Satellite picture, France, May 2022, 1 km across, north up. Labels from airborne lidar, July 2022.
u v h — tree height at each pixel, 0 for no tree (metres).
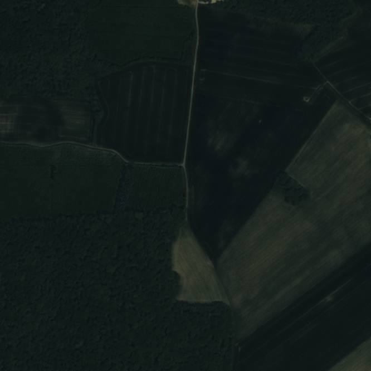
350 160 0
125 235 27
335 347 0
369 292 0
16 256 23
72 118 0
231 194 0
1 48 20
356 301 0
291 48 0
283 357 0
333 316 0
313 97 0
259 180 0
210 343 28
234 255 0
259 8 17
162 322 28
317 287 0
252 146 0
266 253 0
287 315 0
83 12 26
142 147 0
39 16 32
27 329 22
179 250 0
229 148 0
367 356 0
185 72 0
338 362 0
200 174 0
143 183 5
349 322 0
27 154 5
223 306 22
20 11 30
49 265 20
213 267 0
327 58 0
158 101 0
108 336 27
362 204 0
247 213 0
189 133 0
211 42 0
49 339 22
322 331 0
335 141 0
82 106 0
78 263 26
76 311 28
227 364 22
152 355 25
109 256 27
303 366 0
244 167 0
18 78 25
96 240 30
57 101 0
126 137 0
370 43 0
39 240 23
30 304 22
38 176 8
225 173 0
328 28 17
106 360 29
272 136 0
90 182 7
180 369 25
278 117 0
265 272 0
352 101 0
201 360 24
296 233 0
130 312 28
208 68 0
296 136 0
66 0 27
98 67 23
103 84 0
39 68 23
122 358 32
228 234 0
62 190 6
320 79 0
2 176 6
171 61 13
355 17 0
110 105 0
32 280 26
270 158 0
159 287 26
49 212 7
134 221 28
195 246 0
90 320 27
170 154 0
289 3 22
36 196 7
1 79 24
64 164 6
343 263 0
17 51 20
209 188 0
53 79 29
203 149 0
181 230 0
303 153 0
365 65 0
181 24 6
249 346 0
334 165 0
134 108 0
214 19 0
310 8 21
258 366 0
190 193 0
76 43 19
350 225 0
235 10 16
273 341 0
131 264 26
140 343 26
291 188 16
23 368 25
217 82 0
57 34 30
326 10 19
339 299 0
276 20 15
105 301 28
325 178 0
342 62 0
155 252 22
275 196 0
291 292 0
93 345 24
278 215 0
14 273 22
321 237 0
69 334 20
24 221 26
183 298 0
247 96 0
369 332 0
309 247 0
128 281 28
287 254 0
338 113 0
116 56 6
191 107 0
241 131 0
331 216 0
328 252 0
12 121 0
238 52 0
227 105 0
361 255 0
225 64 0
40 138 0
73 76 27
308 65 0
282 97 0
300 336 0
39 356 20
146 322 26
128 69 0
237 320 0
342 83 0
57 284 21
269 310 0
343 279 0
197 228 0
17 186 7
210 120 0
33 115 0
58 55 30
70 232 27
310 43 19
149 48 6
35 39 29
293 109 0
